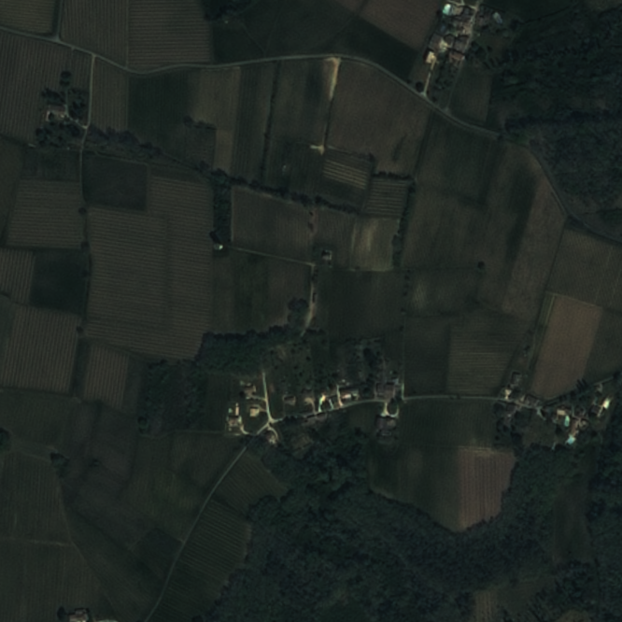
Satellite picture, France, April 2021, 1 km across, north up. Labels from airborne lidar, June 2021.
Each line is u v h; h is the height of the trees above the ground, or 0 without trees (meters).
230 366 18
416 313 0
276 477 20
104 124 0
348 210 14
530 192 0
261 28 0
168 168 0
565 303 0
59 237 0
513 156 0
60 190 0
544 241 0
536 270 0
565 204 0
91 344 0
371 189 0
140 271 0
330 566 15
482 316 0
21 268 0
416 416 0
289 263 0
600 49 27
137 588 0
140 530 0
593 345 0
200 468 0
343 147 0
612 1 0
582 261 0
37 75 0
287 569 25
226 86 0
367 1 0
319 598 7
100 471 0
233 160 0
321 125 0
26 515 0
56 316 0
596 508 13
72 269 0
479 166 0
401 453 0
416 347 0
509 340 0
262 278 0
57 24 0
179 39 0
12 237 0
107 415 0
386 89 0
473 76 0
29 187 0
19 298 0
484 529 15
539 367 0
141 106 0
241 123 0
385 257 0
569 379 0
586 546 0
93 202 0
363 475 18
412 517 20
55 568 0
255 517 16
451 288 0
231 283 0
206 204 0
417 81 0
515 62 28
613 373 0
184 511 0
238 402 0
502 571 20
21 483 0
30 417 0
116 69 0
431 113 0
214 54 0
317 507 18
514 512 16
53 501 0
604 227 0
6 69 0
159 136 0
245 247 0
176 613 0
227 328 0
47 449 0
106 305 0
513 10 0
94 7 0
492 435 0
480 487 0
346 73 0
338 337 0
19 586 0
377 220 0
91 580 0
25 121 0
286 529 6
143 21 0
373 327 0
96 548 0
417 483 0
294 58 0
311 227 9
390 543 18
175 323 0
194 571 0
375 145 0
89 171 0
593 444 11
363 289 0
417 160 0
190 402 12
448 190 0
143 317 0
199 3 0
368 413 0
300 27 0
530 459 18
